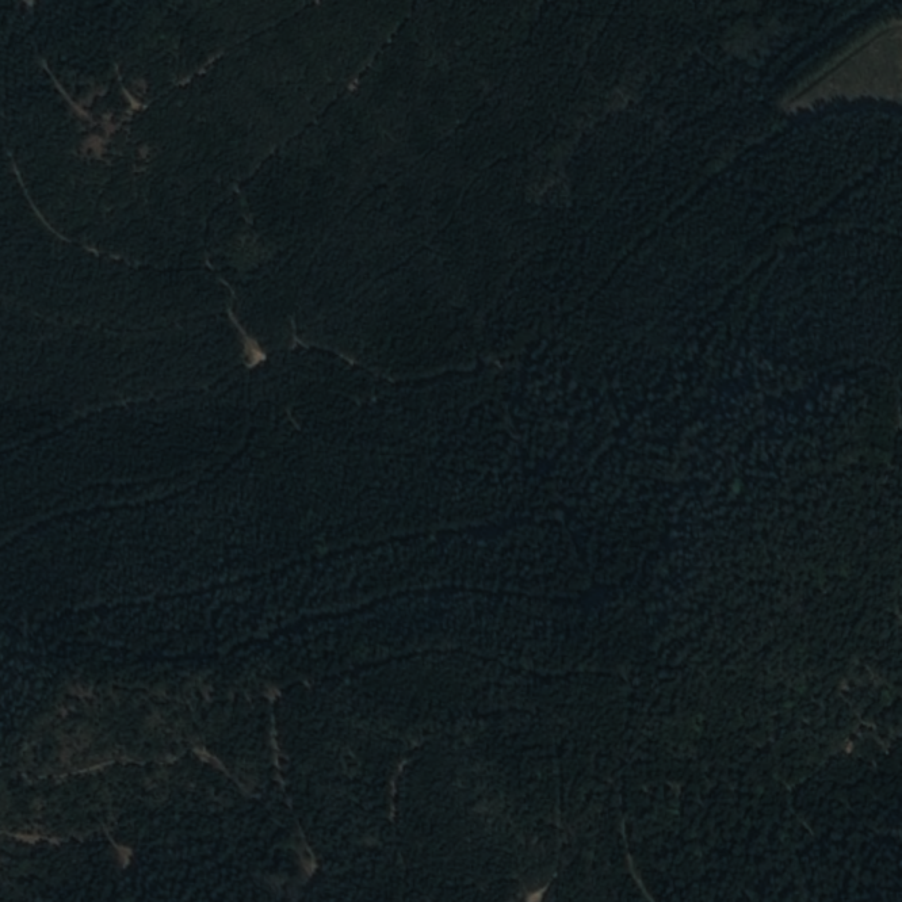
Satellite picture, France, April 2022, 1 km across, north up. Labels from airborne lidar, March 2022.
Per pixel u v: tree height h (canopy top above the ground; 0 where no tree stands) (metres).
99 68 17
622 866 19
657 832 29
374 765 14
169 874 27
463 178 25
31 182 8
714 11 33
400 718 16
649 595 24
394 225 23
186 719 7
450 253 21
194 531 19
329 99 17
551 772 19
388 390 20
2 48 19
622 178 23
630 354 19
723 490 32
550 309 31
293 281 20
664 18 26
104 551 23
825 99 0
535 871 10
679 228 21
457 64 21
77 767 8
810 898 31
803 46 26
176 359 17
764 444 30
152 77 11
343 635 22
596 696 21
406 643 20
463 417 24
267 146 21
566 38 26
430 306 24
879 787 28
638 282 19
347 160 18
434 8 26
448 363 22
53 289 15
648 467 26
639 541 29
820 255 20
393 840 21
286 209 24
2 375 17
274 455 21
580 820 7
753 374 13
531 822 13
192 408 14
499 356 20
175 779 9
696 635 22
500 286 28
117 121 7
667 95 25
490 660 23
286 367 16
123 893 26
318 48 16
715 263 18
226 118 17
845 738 33
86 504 24
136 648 28
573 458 27
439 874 11
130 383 14
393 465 18
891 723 30
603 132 25
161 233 19
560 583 34
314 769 14
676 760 26
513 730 19
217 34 18
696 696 25
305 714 17
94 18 17
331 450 19
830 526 26
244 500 20
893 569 30
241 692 8
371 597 22
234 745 10
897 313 26
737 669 29
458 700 15
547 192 24
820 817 31
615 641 24
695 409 16
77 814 9
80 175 9
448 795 8
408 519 24
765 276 17
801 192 24
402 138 19
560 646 25
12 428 26
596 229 22
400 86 19
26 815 11
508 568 30
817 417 6
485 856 12
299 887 27
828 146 31
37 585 19
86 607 26
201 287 17
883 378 21
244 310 18
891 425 14
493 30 26
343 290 20
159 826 34
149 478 27
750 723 31
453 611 19
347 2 20
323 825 19
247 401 18
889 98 0
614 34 26
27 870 28
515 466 32
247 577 18
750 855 24
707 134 29
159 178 7
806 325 16
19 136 16
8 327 12
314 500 20
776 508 20
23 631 17
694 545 27
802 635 20
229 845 22
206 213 14
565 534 30
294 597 23
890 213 26
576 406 26
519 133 26
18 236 12
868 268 24
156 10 15
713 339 19
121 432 19
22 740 22
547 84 23
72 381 19
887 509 29
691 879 24
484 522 25
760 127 26
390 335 20
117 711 9
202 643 25
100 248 14
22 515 23
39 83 11
